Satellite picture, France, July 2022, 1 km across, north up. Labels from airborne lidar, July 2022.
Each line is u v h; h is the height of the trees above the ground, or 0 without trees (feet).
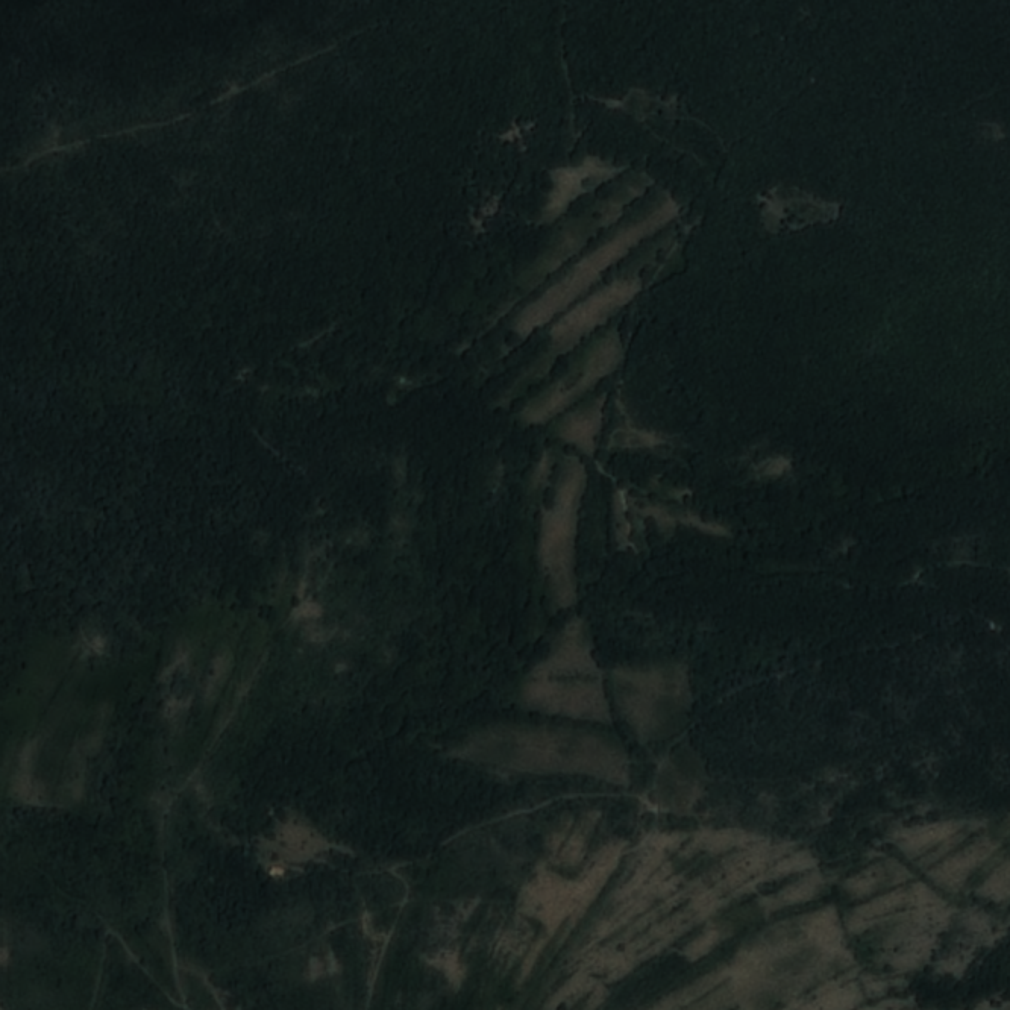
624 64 37
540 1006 0
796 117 29
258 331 41
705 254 37
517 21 47
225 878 40
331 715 37
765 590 50
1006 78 21
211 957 19
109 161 20
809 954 0
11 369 34
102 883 24
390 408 56
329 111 31
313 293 47
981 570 32
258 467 40
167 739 19
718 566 59
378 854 34
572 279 0
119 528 27
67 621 26
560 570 0
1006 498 24
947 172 25
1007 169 19
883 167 28
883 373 32
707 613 29
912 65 27
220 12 22
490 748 0
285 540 31
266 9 26
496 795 23
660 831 0
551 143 44
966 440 58
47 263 22
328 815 26
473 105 45
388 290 55
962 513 30
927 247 20
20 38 24
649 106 0
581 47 49
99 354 22
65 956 22
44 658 0
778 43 28
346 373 26
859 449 54
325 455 25
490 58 46
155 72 22
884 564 33
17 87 26
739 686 29
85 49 24
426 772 32
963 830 0
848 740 20
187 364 31
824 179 28
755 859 0
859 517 44
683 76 34
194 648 0
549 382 22
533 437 41
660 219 0
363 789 38
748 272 46
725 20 35
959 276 28
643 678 0
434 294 47
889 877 0
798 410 50
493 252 41
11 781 0
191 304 34
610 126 31
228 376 47
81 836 28
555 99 44
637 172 36
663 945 0
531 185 48
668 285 43
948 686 23
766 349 51
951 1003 24
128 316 40
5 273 20
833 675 25
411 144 50
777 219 0
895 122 26
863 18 24
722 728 25
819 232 33
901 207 25
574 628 0
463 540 39
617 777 0
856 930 0
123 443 25
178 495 35
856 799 25
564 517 0
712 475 35
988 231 24
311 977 0
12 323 42
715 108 30
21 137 21
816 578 32
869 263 31
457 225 58
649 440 0
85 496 27
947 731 21
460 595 44
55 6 22
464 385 34
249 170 25
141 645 26
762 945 0
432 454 52
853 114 27
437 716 29
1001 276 28
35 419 48
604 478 26
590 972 0
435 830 31
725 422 47
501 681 46
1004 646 26
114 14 20
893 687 21
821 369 50
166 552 25
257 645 0
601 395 31
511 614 63
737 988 0
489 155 47
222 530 44
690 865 0
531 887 0
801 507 61
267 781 38
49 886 22
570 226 0
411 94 41
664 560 55
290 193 29
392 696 53
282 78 19
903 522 41
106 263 33
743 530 31
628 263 30
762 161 31
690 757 0
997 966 25
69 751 0
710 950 0
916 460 71
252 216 21
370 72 34
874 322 31
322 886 21
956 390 35
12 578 27
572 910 0
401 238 52
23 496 40
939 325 32
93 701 0
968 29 26
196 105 20
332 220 54
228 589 42
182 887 23
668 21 43
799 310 51
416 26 26
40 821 21
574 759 0
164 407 23
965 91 19
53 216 25
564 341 0
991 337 39
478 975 0
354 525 27
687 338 48
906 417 42
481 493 19
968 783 22
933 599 44
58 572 32
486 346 37
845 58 23
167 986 0
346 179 43
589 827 0
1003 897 0
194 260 31
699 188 38
